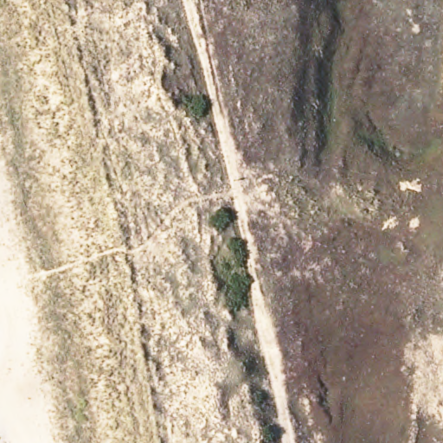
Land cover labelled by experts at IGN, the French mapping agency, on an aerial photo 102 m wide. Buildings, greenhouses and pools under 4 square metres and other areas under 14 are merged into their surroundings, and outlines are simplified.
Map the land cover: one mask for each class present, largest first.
<instances>
[{"label":"bare soil","instance_id":"1","mask_svg":"<svg viewBox=\"0 0 443 443\"><path fill-rule=\"evenodd\" d=\"M180 90L192 95L208 93L182 0H0V443H261L260 424L254 419L249 388L244 379L246 369L242 367L241 362L235 360L232 351L228 350L227 339V331L230 329L237 334L239 343L260 351V337L251 306L242 308L237 315L230 317L225 308V296L216 289L209 266L211 260L216 261L218 270L223 268V261L230 265L235 263L237 260L228 244L234 237H241L237 221L223 232H218L215 227L209 225L211 216H215L218 209L223 206L234 208V196L230 190L227 168L221 154L220 137L211 112L201 123H194L183 109H177L171 102ZM202 38L215 40L218 74L228 112L230 135L234 138L235 149L242 154V161L237 168L242 192L249 194L254 187L266 185V190L275 194V199L279 202L277 215L268 216L260 209L256 213V218L249 221V230L258 247L256 263L260 268H256V272L260 275L261 296L272 315L275 336L282 355L287 408L291 415L296 443H324V436L320 433L324 431L327 422L332 421L331 407L339 403L341 391L339 388H332L331 391H327L324 379L320 376L317 377L318 391L315 395H311L308 382H301V396L296 384L289 379L296 377V365L306 367L308 363L301 360L303 339L296 334V327L292 322L294 299L291 298V292H280L277 287L291 286L294 277L308 279L311 286L322 284L324 279L320 268L331 265V258L327 256L315 263L311 260L310 247L320 246V237L327 235L329 228L339 227L343 218L372 220L379 208V201L374 204L363 202L356 196H348L339 183H332L331 192L325 194L324 201L313 202L310 196H306L305 190L291 185L292 177L299 171L301 154L299 145L294 144V140L287 135V125L291 121L292 90L296 85L294 74L298 71L292 48L299 45L298 35L294 31L299 17L296 5L301 0H194ZM396 292L401 294L398 313L405 320V332L410 336V341L405 344V362L401 363V374L414 384L407 443H443V265L436 279L417 275L415 279L403 282L396 289Z\"/></svg>","mask_w":443,"mask_h":443},{"label":"herbaceous vegetation","instance_id":"2","mask_svg":"<svg viewBox=\"0 0 443 443\"><path fill-rule=\"evenodd\" d=\"M299 17L294 31L298 35L299 45L292 48L298 71L294 74L296 85L292 90L291 121L287 125V135L294 140V144L299 145L301 154L299 171L292 177L291 185L305 190L306 196H310L313 202L324 201L325 194L331 192L332 183H339L348 196H356L363 202L374 204L379 201V208L372 220L343 218L339 227L329 228L327 235L320 237V246L310 247L311 260L315 263L327 256L331 258V265L320 268L324 279L322 284L311 286L308 279L294 277L291 286L277 287L280 292H291V298L294 299L292 322L296 327V334L303 339L301 360L308 363L306 367L296 365V377L289 379L296 384L301 396V382H308L311 395H315L318 391L317 377L320 376L324 379L327 391H331L332 388H339L341 391L339 403L331 407L332 421L327 422L324 431L320 433L324 436V443H407L414 384L401 374V363L405 362V344L410 341V336L405 332V320L398 313L401 294L396 292V289L403 282L415 279L417 275L436 279L443 265V0H301L296 5Z\"/></svg>","mask_w":443,"mask_h":443},{"label":"pervious surface","instance_id":"3","mask_svg":"<svg viewBox=\"0 0 443 443\"><path fill-rule=\"evenodd\" d=\"M208 93L211 112L220 137L221 154L227 168L230 190L234 196V208L237 221L241 237L246 241L249 251L247 268L253 279L251 306L260 337V351L265 358L266 370L272 381L270 395L277 405V424L284 431L282 443H296L291 415L287 408L282 355L275 336L272 315L261 296L260 275L256 272V268H260L256 263L258 247L249 230V221L256 218V213L260 209L268 216L277 215L279 202L275 199V194L266 190V185L254 187L249 194L242 192L237 168L242 161V154L235 149L234 138L230 135L228 112L218 74L215 40L202 38L194 0H182Z\"/></svg>","mask_w":443,"mask_h":443},{"label":"brushwood","instance_id":"4","mask_svg":"<svg viewBox=\"0 0 443 443\"><path fill-rule=\"evenodd\" d=\"M171 102L177 109H183L194 123H201L211 112L208 93L192 95L180 90ZM237 221L234 208L223 206L218 209L215 216H211L209 225L215 227L218 232H223ZM237 260L235 263L230 265L223 261V268L218 270L216 261L211 260L209 266L216 289L225 296V308L230 317L237 315L242 308L251 306L253 279L247 268L249 251L246 241L241 237H234L228 244ZM227 339L228 350L232 351L235 360L241 362L242 367L246 369L244 379L249 388L254 419L260 424L261 443H282L284 431L277 424V405L270 395L272 381L266 370L265 358L260 351L239 343L237 334L230 329L227 331Z\"/></svg>","mask_w":443,"mask_h":443}]
</instances>
